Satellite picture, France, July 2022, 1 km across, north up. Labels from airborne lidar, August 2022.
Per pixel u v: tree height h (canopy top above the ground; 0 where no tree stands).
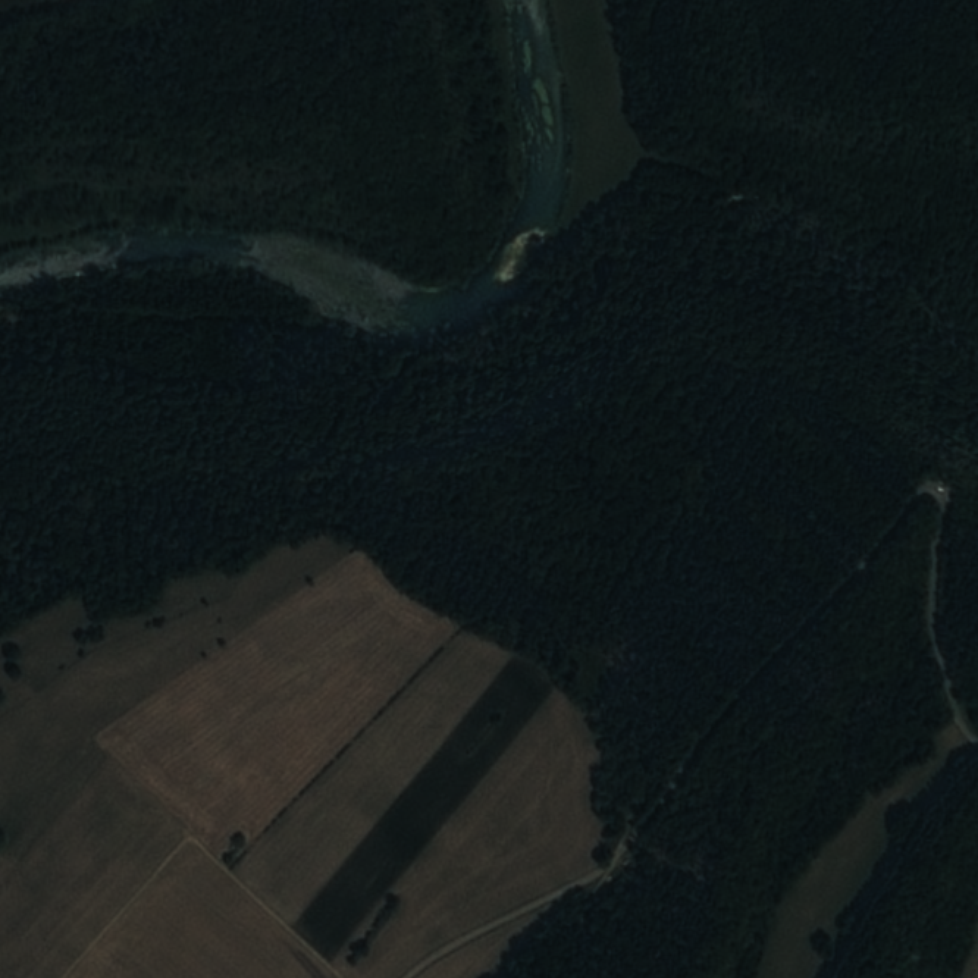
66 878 0
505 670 0
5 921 0
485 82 12
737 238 21
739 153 21
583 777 0
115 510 15
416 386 31
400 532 23
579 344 19
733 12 14
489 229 19
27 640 0
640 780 17
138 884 0
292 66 16
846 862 0
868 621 17
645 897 21
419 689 0
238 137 15
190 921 0
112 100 15
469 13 13
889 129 14
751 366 14
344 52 17
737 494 18
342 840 0
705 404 21
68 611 0
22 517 20
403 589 13
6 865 0
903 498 14
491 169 24
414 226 16
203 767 0
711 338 20
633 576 17
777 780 14
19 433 23
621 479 19
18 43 24
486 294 0
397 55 19
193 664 0
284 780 0
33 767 0
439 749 0
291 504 21
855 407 17
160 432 23
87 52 22
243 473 12
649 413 22
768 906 22
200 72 14
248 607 0
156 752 0
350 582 0
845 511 21
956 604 21
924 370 23
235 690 0
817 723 12
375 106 15
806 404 21
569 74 0
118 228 10
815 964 0
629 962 24
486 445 14
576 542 18
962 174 14
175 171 9
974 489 19
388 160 16
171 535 21
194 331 32
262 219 11
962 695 19
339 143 15
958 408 27
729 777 14
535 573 21
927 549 18
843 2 14
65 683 0
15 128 13
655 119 22
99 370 26
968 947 16
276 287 10
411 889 0
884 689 19
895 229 20
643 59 23
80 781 0
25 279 0
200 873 0
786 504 22
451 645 0
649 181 14
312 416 29
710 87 14
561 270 26
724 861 16
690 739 16
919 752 15
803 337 23
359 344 12
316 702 0
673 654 28
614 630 15
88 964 0
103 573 23
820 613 11
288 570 0
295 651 0
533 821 0
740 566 22
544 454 15
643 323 16
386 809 0
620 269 29
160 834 0
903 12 15
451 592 22
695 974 16
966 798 19
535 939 24
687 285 22
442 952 0
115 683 0
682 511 22
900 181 17
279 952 0
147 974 0
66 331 15
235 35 18
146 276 13
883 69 15
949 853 15
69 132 10
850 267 28
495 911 0
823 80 9
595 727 18
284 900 0
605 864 14
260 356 39
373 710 0
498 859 0
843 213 20
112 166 12
